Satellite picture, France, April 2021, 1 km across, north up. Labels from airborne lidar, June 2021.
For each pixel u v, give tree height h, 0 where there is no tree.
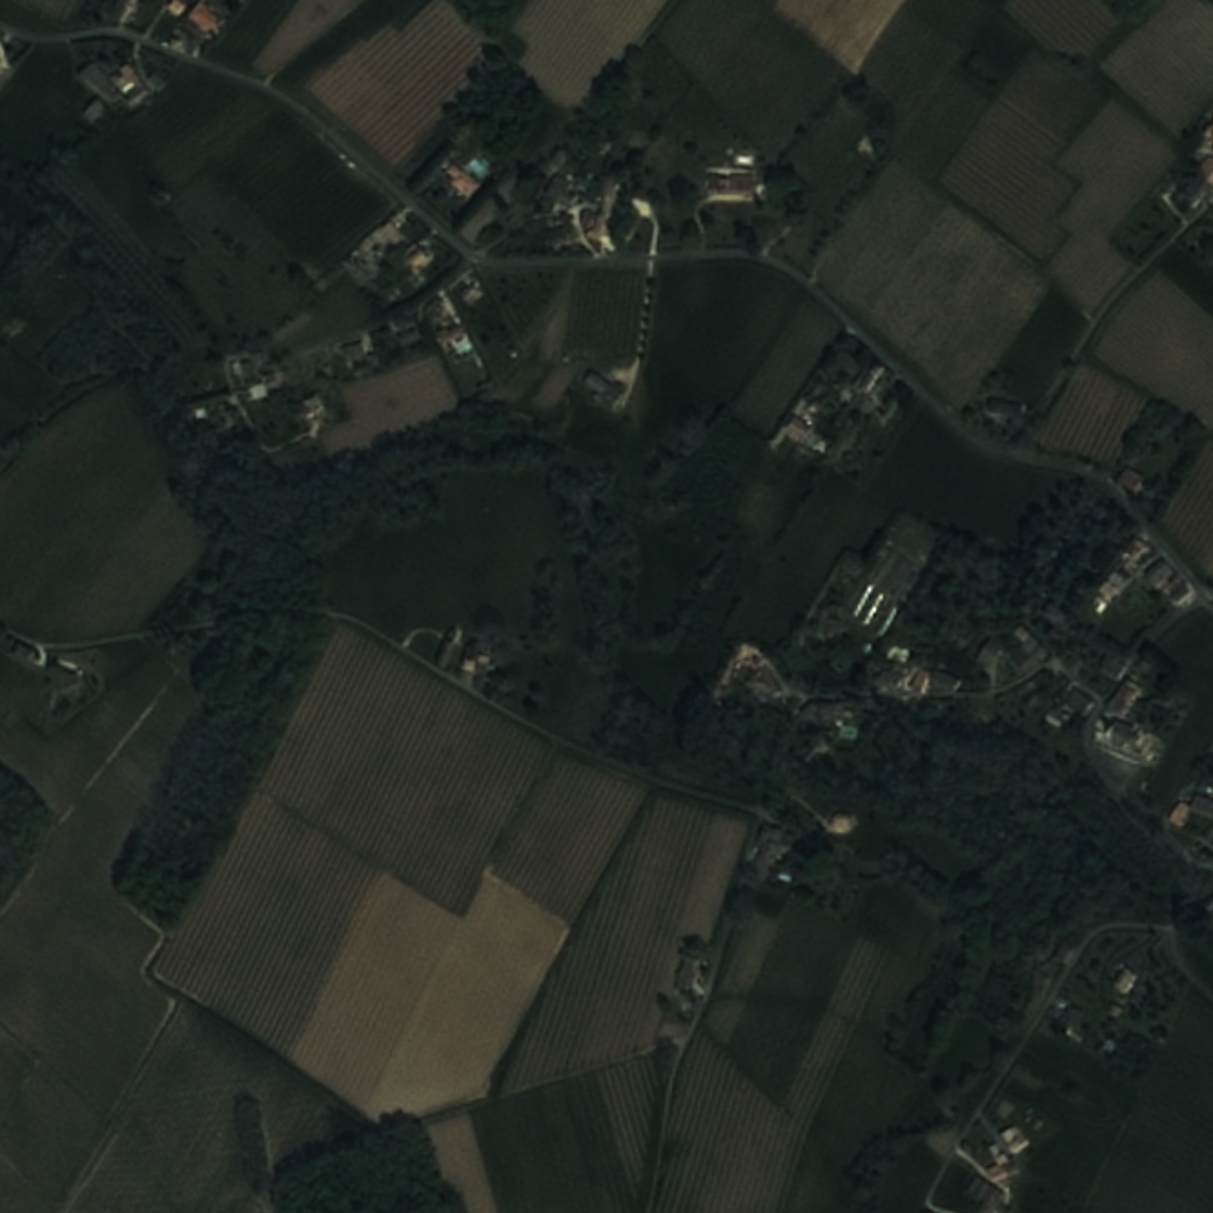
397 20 0
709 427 18
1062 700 5
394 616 0
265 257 0
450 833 0
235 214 0
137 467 0
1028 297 0
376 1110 0
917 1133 9
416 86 0
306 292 15
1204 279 0
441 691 0
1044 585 18
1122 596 0
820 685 10
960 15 0
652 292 6
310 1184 19
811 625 15
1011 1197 0
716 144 0
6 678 0
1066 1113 0
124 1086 0
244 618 21
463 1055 0
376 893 0
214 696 23
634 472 0
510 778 0
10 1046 0
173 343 22
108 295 17
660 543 0
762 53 0
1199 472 0
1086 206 0
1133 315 0
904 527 0
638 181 6
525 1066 0
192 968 0
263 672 25
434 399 0
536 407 0
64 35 0
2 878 18
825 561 0
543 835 0
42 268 12
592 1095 0
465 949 0
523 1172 0
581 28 0
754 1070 0
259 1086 0
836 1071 0
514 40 0
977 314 0
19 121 0
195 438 20
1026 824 11
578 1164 0
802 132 9
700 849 0
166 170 0
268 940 0
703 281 0
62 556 0
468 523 0
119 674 0
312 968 0
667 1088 0
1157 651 10
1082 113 0
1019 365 0
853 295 0
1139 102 0
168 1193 0
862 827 0
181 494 19
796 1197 0
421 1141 20
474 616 0
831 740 8
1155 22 0
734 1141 0
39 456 0
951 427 0
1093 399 0
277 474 16
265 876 0
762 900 0
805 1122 0
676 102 0
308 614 21
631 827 0
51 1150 0
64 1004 0
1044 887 18
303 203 0
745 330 0
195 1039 0
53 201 22
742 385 0
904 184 0
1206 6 0
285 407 10
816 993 0
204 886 16
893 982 0
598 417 0
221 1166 0
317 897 0
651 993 0
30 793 19
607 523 17
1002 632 8
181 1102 0
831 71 0
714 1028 0
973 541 15
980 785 25
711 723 33
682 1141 0
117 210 0
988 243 0
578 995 0
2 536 0
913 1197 0
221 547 17
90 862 0
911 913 0
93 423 0
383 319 8
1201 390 0
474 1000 0
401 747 0
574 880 0
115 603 0
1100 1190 0
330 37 0
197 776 23
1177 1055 0
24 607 0
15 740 0
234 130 0
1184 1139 0
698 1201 0
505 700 9
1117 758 0
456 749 0
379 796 0
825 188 0
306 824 0
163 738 0
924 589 11
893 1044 13
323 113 0
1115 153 0
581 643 0
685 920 0
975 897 18
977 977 22
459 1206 6
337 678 0
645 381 0
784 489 0
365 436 0
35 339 0
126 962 0
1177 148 0
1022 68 0
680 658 0
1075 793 13
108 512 0
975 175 0
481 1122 0
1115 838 14
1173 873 12
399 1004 0
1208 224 7
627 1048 0
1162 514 14
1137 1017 10
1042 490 0
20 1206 0
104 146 0
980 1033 0
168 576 0
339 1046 0
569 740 0
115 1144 0
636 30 0
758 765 19
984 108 0
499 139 19
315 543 18
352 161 0
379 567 0
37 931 0
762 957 0
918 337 0
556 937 0
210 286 0
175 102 0
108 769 0
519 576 0
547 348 0
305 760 0
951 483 0
